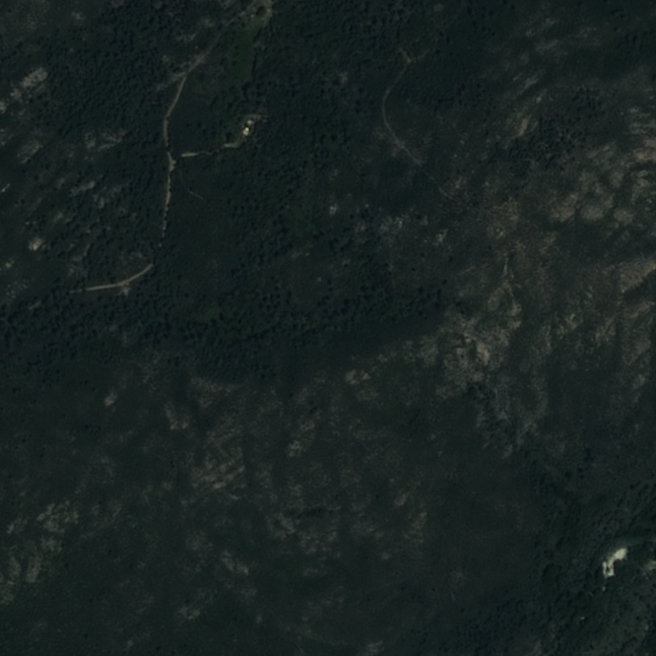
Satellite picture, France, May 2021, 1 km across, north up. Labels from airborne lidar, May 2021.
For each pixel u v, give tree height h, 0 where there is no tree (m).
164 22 18
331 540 0
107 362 10
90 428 17
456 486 6
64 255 17
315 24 16
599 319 0
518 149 12
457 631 6
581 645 9
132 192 15
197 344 13
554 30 6
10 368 14
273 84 21
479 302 0
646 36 11
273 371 16
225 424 0
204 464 0
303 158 13
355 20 13
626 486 0
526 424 0
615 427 6
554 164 13
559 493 13
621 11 13
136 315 21
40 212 6
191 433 0
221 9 8
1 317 16
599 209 0
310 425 0
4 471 12
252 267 8
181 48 7
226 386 0
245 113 7
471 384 11
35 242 0
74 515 0
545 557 18
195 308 6
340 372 0
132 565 7
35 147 0
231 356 11
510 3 19
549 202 0
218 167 7
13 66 20
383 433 0
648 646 10
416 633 11
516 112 8
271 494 0
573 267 0
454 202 6
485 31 17
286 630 0
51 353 6
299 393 0
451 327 0
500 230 0
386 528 0
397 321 17
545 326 0
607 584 10
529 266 0
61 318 12
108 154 8
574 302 0
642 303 0
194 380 0
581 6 11
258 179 12
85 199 15
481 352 0
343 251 15
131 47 9
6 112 5
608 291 0
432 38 9
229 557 0
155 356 7
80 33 8
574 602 20
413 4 14
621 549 0
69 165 12
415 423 11
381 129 0
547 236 0
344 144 12
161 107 14
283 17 16
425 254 12
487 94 11
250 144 8
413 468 0
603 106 12
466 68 6
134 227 15
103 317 6
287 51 12
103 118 8
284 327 25
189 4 15
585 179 0
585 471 18
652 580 5
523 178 13
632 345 0
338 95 7
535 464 9
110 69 12
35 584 7
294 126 7
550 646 11
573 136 10
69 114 8
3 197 5
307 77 13
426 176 6
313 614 0
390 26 11
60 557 6
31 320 26
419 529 0
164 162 9
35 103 19
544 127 12
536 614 14
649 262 0
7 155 6
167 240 13
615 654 7
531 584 8
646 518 7
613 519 6
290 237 15
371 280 20
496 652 9
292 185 17
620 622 9
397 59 11
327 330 11
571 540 6
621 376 0
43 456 10
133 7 17
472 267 0
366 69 9
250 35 0
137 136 14
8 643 9
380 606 0
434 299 25
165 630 6
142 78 14
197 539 0
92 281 17
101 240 17
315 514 9
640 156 0
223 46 9
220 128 12
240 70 0
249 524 0
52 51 11
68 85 10
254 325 10
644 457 6
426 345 0
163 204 16
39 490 0
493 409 6
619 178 0
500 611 17
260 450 0
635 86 0
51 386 9
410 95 8
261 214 13
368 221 24
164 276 16
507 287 0
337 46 9
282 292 17
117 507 0
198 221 6
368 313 14
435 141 6
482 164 10
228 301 18
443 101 14
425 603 8
